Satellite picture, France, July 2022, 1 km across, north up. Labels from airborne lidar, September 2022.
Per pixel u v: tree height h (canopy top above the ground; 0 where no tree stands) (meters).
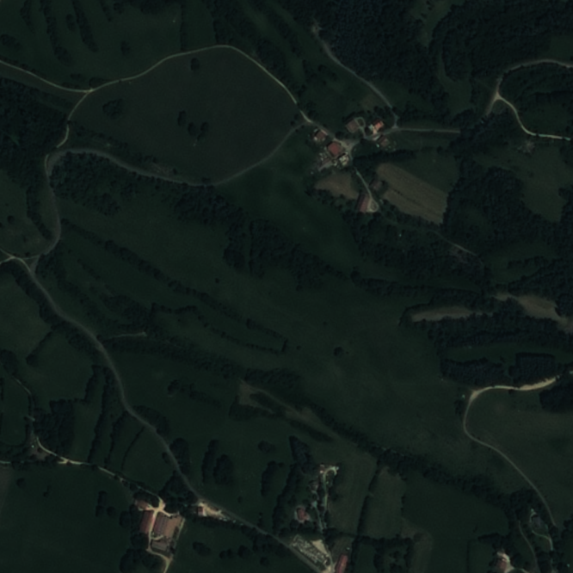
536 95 8
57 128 11
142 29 0
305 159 0
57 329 14
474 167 20
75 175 6
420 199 0
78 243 0
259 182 0
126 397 0
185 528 0
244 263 17
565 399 22
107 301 9
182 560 0
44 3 12
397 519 0
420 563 0
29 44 0
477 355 0
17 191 0
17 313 0
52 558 0
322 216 0
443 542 0
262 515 8
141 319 15
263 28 0
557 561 7
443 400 0
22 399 0
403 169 0
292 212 0
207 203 15
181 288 16
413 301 0
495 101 0
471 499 0
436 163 0
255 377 9
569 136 7
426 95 15
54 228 0
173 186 12
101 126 0
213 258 0
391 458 16
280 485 0
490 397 0
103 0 10
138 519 15
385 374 0
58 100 9
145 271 11
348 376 0
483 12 8
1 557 0
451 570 0
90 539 0
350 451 0
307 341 0
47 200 0
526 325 21
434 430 0
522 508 14
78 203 7
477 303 22
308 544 0
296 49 16
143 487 14
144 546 20
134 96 0
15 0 0
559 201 0
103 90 0
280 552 22
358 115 8
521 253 0
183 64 0
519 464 0
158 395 0
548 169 0
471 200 6
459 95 0
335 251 0
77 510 0
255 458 0
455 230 12
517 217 22
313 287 6
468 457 0
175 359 14
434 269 17
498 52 12
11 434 0
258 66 0
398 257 6
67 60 12
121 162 0
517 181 15
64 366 0
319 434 6
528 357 22
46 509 0
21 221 0
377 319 0
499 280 0
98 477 0
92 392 15
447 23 13
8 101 8
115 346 15
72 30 8
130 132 0
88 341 11
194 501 15
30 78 0
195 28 0
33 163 18
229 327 0
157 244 0
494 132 25
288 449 0
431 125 0
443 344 21
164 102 0
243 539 0
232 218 20
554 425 0
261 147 0
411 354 0
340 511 0
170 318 0
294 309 0
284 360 0
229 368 18
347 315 0
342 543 0
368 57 26
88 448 0
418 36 23
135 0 20
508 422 0
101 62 0
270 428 0
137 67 0
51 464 14
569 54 0
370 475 0
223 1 20
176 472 10
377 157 18
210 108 0
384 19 27
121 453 0
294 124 12
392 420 0
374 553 0
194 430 0
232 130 0
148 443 0
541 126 0
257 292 0
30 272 0
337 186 0
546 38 14
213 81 0
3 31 0
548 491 0
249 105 0
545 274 12
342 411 0
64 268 7
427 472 14
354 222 16
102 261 0
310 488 6
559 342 25
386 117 13
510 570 0
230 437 0
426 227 18
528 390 0
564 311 21
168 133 0
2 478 0
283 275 0
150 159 12
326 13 28
